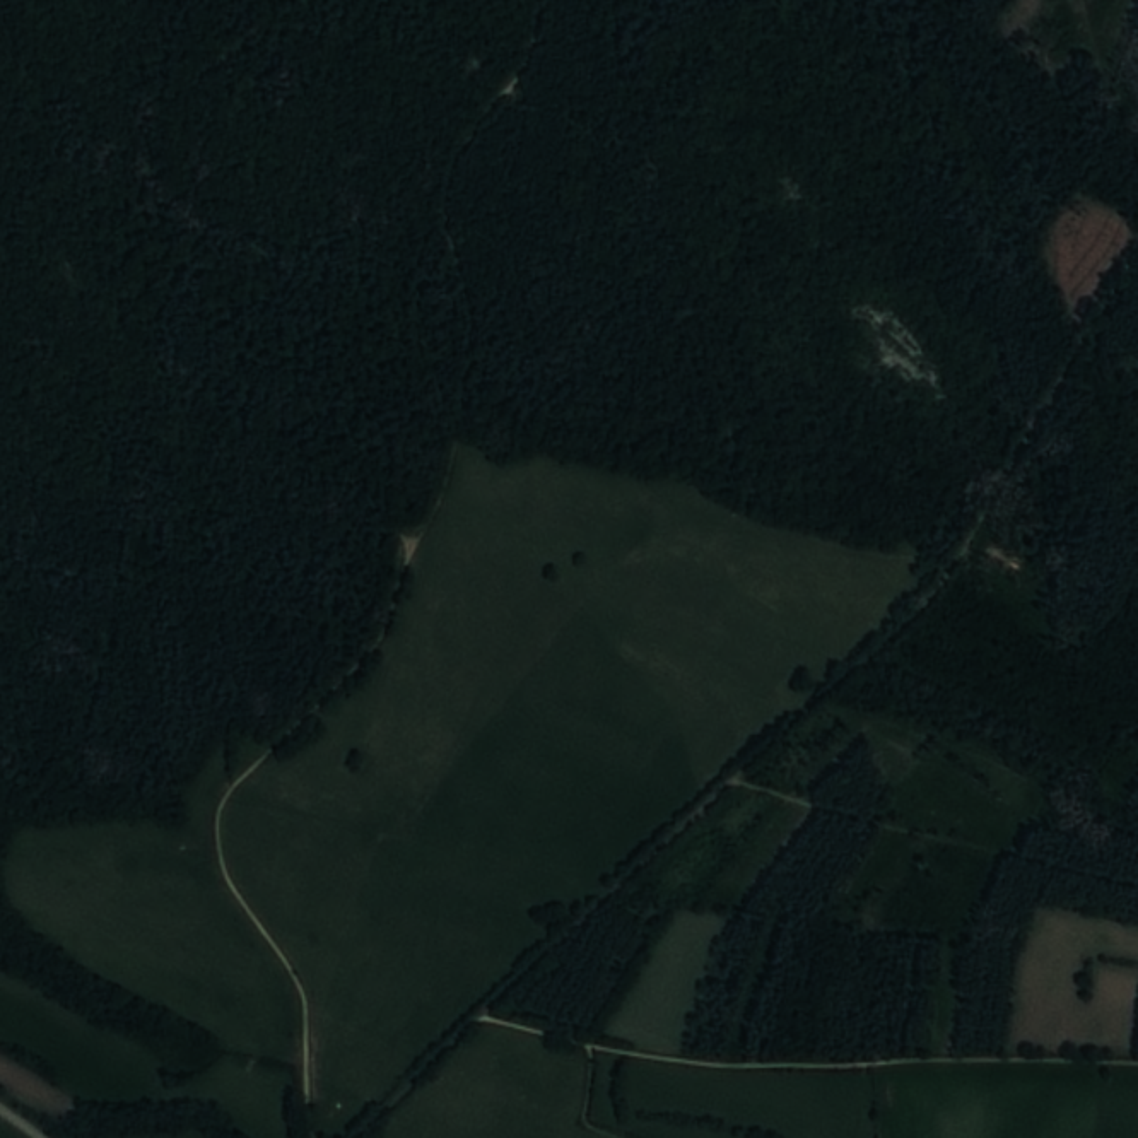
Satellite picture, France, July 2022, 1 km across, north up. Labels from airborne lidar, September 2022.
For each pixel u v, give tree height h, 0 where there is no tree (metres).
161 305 19
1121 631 13
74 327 16
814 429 22
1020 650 8
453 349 14
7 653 16
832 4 22
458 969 0
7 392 12
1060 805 25
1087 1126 0
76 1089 0
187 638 19
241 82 17
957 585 7
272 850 0
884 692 18
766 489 20
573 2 13
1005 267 21
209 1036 14
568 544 0
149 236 16
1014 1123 0
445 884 0
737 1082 0
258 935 0
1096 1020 0
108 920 0
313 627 12
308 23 15
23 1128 0
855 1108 0
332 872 0
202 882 0
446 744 0
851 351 13
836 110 13
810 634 0
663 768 0
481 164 16
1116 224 0
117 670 18
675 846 11
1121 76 24
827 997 22
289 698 20
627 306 21
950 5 24
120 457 18
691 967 0
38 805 17
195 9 21
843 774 21
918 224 17
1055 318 20
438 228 15
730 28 17
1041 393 22
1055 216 22
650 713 0
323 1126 0
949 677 9
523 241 18
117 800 13
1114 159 22
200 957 0
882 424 11
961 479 15
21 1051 14
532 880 0
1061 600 23
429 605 0
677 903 11
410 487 19
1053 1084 0
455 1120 0
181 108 15
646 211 12
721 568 0
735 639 0
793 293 13
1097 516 29
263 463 24
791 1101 0
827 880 23
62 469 12
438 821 0
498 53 6
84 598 20
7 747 20
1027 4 0
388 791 0
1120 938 0
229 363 26
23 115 20
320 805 0
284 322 26
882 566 0
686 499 0
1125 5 0
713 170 13
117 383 14
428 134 13
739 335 14
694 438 19
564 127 13
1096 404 17
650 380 15
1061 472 21
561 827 0
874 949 19
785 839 0
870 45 23
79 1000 18
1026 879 21
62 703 14
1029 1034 0
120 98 12
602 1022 16
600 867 0
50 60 13
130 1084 0
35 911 0
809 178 12
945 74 20
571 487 0
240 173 17
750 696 0
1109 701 19
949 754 0
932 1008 21
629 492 0
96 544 15
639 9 17
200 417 18
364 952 0
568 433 14
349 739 0
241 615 20
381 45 15
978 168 18
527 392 24
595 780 0
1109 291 18
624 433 19
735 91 17
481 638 0
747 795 7
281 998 0
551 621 0
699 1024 16
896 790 19
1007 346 25
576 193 13
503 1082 0
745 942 22
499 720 0
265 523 21
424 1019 0
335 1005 0
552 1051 13
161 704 19
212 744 18
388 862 0
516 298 15
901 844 0
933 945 22
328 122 12
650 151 13
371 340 10
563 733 0
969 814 0
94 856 0
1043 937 0
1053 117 20
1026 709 9
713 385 17
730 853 9
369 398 17
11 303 13
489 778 0
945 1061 0
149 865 0
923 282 19
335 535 19
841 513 15
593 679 0
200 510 16
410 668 0
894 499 16
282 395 21
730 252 15
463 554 0
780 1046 19
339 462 11
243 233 19
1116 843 26
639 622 0
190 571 23
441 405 23
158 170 13
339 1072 0
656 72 14
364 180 17
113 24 12
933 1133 0
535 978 17
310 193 15
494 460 12
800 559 0
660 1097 0
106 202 14
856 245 9
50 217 15
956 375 8
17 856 0
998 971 17
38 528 19
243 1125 0
